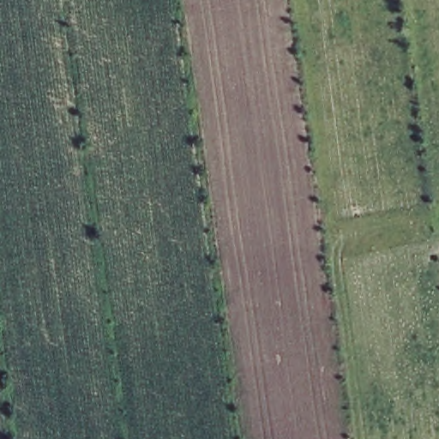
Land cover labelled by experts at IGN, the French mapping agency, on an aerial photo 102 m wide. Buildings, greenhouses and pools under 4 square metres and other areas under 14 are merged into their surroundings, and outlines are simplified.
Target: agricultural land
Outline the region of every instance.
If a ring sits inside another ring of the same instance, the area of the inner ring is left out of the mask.
[[[333,288],[328,283],[328,274],[324,269],[326,259],[322,247],[322,211],[316,204],[316,189],[312,182],[314,170],[309,158],[310,139],[305,129],[307,122],[304,99],[300,96],[302,81],[290,33],[293,21],[290,15],[290,0],[0,0],[0,439],[350,439],[346,430],[350,410],[346,405],[348,396],[343,386],[340,333],[334,324],[336,314]],[[82,115],[86,117],[89,141],[87,147],[81,146],[84,137],[77,135],[79,110],[74,108],[72,77],[79,72],[84,101]],[[82,194],[82,171],[93,168],[96,171],[94,190],[98,195],[98,202],[106,204],[106,211],[101,214],[101,225],[98,228],[89,226],[91,223],[86,219],[86,202]],[[115,317],[113,340],[108,340],[105,331],[106,317],[103,307],[99,307],[96,286],[110,290],[111,310]]]

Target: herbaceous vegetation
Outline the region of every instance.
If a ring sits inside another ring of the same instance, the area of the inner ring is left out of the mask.
[[[350,410],[346,430],[350,439],[439,439],[439,0],[290,0],[290,15],[293,21],[290,33],[302,81],[300,96],[304,99],[307,122],[305,129],[310,139],[309,158],[314,170],[312,182],[316,189],[316,204],[322,211],[322,247],[326,259],[324,269],[328,274],[328,283],[333,288],[336,314],[334,324],[340,333],[343,386],[348,396],[346,405]]]
[[[82,171],[82,194],[86,202],[86,219],[91,223],[89,226],[98,228],[101,225],[101,214],[106,211],[106,204],[98,202],[98,195],[94,190],[96,171],[93,168]]]
[[[96,286],[99,307],[103,307],[106,317],[105,331],[108,340],[113,340],[115,317],[111,310],[110,290]]]
[[[89,141],[86,117],[82,115],[84,101],[79,72],[72,77],[74,108],[79,110],[77,135],[84,137],[81,146],[87,147]]]

